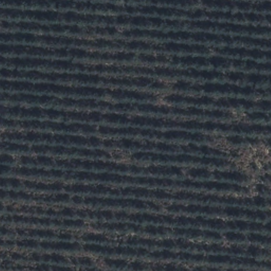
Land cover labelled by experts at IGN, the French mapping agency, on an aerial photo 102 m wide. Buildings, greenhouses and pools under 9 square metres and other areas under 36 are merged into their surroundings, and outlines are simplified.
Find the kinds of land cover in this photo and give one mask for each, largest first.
<instances>
[{"label":"brushwood","instance_id":"1","mask_svg":"<svg viewBox=\"0 0 271 271\"><path fill-rule=\"evenodd\" d=\"M72 6V1L68 0H0V3ZM271 11V0H146ZM91 10L267 20L271 23V15L203 10L180 11L176 8L90 2H78L76 5ZM0 16L144 25H187L191 28L271 34V24L255 26L0 8ZM0 26L12 29L70 31L86 35L121 34L237 41L271 48V37L255 39L203 33H164L96 26L78 28L77 25L5 21L0 25ZM0 39L76 43L97 47L213 52L211 58H202L73 49L70 51L73 56L137 58L173 64L182 62L271 70V61L269 64H257L250 60L214 56L217 52L271 59V50L219 49L195 44L187 46L176 43L86 40L0 33ZM0 51L66 56V50L0 44ZM0 64L218 77L252 82L250 87L240 88L228 84L186 83L182 80L176 83L162 82L144 77L0 70V75L271 96V74L115 66L109 65L108 61L105 65H93L52 59L0 57ZM0 87L160 101L159 106H153L0 93V98L121 110L214 115L230 119L229 124H224L0 105V112L47 115L52 118L62 116L67 120H106L271 134V100H234L0 80ZM171 101L231 108L230 112L179 108L171 106ZM131 133L210 142L221 139L222 135L83 124L65 125L54 122H22L0 118V148L29 149V145L4 142L5 138L115 146L129 147L201 151L224 155V152L209 146L23 132V127ZM31 157L0 155V173L10 171L16 174L62 176L69 179L233 189L239 196L0 178V185L271 206V197H252L248 186L253 183L247 180V175L239 171H228L209 170L207 176L194 177L187 175L189 168L184 167L128 165L112 162L37 156L38 151H51L109 158V151L40 145L33 147ZM26 163L175 174L185 176V180L135 178L84 171L70 173L62 170L25 168ZM130 159L191 161L230 166H235V157L230 156L228 160H221L186 155L166 156L153 152L133 153ZM54 200L133 205L156 210L246 215L271 220V209L263 212L235 207L0 191V209L89 216L87 222L0 215V221L84 225L88 228L86 232H77L0 225V233L74 238L73 243L0 238V271H247L105 258L98 256L97 251L225 261L271 268V258L258 261L221 255L153 252L132 249L131 245L144 243L160 247L265 254L271 257V247H238L236 245H233L231 239L257 240L271 243V233L263 236L142 227L132 223L93 222L92 218L193 223L217 228L271 232V222L265 224L218 218L94 211L68 206L51 207L50 202ZM134 230L224 239L222 245L173 238L158 240L133 236ZM22 246L84 251L79 256L58 255L21 252ZM16 258L58 260L71 264L69 267L25 265L16 264Z\"/></svg>","mask_w":271,"mask_h":271},{"label":"coniferous trees","instance_id":"2","mask_svg":"<svg viewBox=\"0 0 271 271\"><path fill-rule=\"evenodd\" d=\"M72 1V6L0 3V8L255 26L271 24V23L267 20L91 10L76 5L78 2H90L176 8L180 11L203 10L271 15V11L146 0H68ZM5 21L77 25L78 28L96 26L164 33H203L255 39L271 37V34L191 28L187 25H144L0 16V25ZM0 33L86 40L176 43L187 46L195 44L219 49L271 50V48L237 41L121 34L86 35L70 31L12 29L0 26ZM0 44L66 50V56L0 51V57L52 59L93 65H105L108 61L109 65L115 66L271 74V70L182 62L173 64L137 58L73 56L70 51L73 49L202 58H211L213 52L97 47L76 43L0 39ZM250 60L257 64H269L271 61V59L217 52L214 56ZM144 77L162 82L176 83L182 80L186 83L228 84L240 88L250 87L252 82L218 77L0 64V70ZM0 80L234 100H271V96L0 75ZM0 93L153 106H159L160 101L0 87ZM0 105L224 124H229L230 119L214 115L121 110L0 98ZM171 106L179 108L230 112L231 108L171 101ZM0 118L22 122H54L65 125L83 124L222 135L228 137L230 143L246 142L271 147V134L106 120H67L62 116L52 118L47 115L0 112ZM23 132L209 146L210 142L131 133L23 127ZM4 142L29 145V149L0 148V155L31 157L33 147L40 145L109 151H114L115 146L5 138ZM128 152L133 153L153 152L166 156L186 155L221 160H228L230 156L224 155L201 151L129 147ZM37 156L112 162L113 158H109L51 151H38ZM128 165L184 167L189 168L187 175L194 177L207 176L209 170L228 171L230 166L191 161L130 159ZM25 168L62 170L70 173L84 171L135 178L185 180V176L175 174L26 163ZM0 178L239 196L233 189L69 179L62 176L16 174L10 171L0 173ZM0 191L235 207L263 212L271 209V206L0 185ZM51 207L68 206L94 211L218 218L265 224L271 222V220L246 215L156 210L133 205L54 200L50 202ZM0 215L87 222L89 216L0 209ZM93 222L132 223L142 227L263 236L271 233V232L217 228L193 223L92 218ZM0 225L77 232H86L88 228L84 225L0 221ZM133 236L158 240L173 238L222 245L224 239L134 230ZM0 238L73 243L74 238L0 233ZM233 245H236L238 247H271V243L257 240L231 239ZM132 249L153 252L221 255L258 261L271 258V257L265 254L160 247L144 243L131 245ZM21 252L58 255L79 256L84 251L22 246ZM98 256L105 258L247 271H271V268L225 261L97 251ZM16 264L25 265L69 267L71 264L58 260L16 258Z\"/></svg>","mask_w":271,"mask_h":271},{"label":"herbaceous vegetation","instance_id":"3","mask_svg":"<svg viewBox=\"0 0 271 271\"><path fill-rule=\"evenodd\" d=\"M228 137L222 135L221 139L210 142L209 146L224 152V155L230 156L235 157V166H230L228 171H239L247 175V180L253 183L248 186L252 197H271V147L246 142L230 143ZM129 147L115 146L114 151H109V158H113L112 162L128 165L130 159L133 153L128 152Z\"/></svg>","mask_w":271,"mask_h":271}]
</instances>
